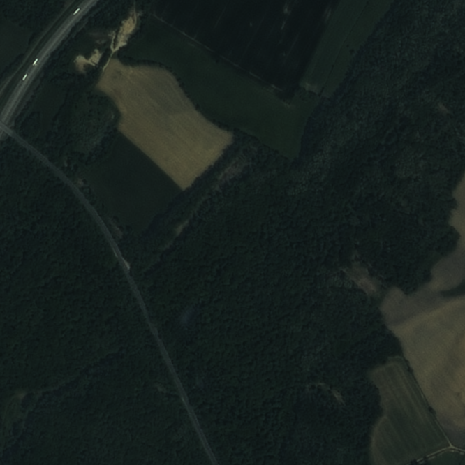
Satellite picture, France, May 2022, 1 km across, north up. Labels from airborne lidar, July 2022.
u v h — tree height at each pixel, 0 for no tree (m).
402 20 26
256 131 0
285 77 0
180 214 26
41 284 15
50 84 11
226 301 20
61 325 20
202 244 21
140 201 0
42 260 21
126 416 23
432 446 0
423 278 8
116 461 20
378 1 0
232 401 14
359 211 26
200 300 19
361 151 24
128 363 25
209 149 0
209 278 22
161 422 21
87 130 6
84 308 20
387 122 24
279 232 24
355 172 25
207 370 12
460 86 25
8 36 0
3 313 22
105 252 21
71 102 9
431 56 15
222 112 0
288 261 21
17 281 21
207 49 0
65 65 16
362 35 0
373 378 0
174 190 0
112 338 24
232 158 19
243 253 23
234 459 17
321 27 0
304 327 19
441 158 12
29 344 23
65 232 22
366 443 27
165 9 0
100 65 11
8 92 0
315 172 22
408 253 23
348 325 20
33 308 22
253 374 20
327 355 25
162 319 21
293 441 27
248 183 19
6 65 0
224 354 15
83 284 20
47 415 25
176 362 15
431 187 24
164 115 0
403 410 0
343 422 20
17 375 24
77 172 16
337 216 17
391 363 0
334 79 0
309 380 19
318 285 22
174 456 20
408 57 17
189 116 0
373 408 25
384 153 21
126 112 0
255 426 22
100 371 18
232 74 0
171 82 0
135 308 17
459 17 22
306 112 0
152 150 0
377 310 15
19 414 0
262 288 23
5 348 21
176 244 15
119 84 0
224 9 0
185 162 0
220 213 21
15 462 23
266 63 0
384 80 21
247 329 23
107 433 22
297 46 0
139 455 21
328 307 23
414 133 26
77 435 21
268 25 0
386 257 27
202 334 16
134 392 20
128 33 0
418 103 13
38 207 23
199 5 0
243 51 0
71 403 26
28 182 12
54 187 21
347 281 26
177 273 23
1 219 17
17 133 7
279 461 16
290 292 16
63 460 23
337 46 0
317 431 25
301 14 0
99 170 0
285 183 20
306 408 30
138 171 0
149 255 29
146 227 0
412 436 0
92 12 12
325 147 26
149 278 23
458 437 0
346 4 0
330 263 23
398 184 17
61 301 18
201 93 0
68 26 0
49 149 14
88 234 21
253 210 19
